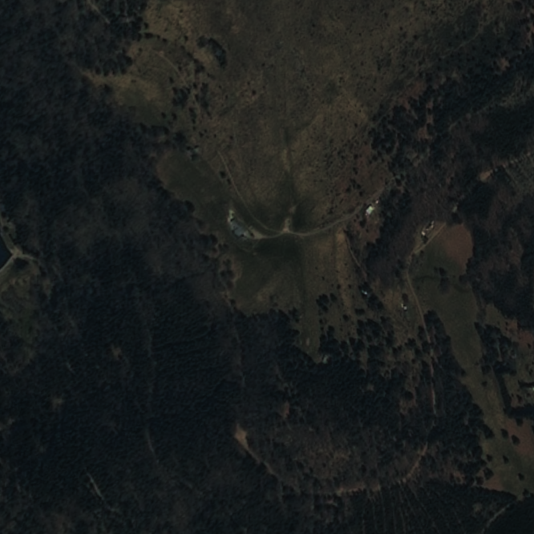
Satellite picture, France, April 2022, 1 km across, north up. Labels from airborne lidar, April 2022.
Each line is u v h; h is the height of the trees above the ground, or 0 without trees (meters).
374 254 13
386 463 18
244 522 22
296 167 0
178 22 0
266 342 12
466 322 0
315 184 0
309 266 0
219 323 15
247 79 0
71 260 19
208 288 14
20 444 17
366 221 11
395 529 16
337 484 20
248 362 11
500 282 20
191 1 0
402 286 13
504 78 22
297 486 13
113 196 14
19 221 17
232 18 0
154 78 0
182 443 22
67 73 18
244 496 23
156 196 15
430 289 0
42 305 18
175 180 0
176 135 0
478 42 0
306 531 23
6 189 21
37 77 27
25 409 22
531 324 20
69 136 23
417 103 11
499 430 0
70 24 13
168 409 27
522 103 10
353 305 0
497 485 0
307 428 15
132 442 23
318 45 0
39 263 20
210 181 0
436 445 17
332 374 13
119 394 22
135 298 22
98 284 14
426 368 19
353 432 22
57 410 12
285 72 0
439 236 0
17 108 28
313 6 0
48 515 27
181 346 23
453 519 14
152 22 0
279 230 0
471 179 9
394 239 13
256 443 11
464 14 0
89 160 23
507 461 16
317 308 0
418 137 12
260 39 0
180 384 23
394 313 0
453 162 24
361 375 18
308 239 0
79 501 16
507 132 10
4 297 11
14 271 11
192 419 21
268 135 0
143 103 0
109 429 24
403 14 0
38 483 25
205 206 0
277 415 13
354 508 17
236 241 0
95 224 18
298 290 0
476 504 8
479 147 14
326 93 0
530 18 7
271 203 0
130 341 24
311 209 0
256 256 0
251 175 0
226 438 21
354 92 0
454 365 20
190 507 28
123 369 24
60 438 25
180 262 26
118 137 21
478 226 16
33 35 25
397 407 21
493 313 0
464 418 28
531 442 0
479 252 19
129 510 27
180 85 0
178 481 22
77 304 20
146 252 20
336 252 0
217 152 0
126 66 12
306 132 0
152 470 25
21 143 24
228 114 0
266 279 0
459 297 0
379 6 0
